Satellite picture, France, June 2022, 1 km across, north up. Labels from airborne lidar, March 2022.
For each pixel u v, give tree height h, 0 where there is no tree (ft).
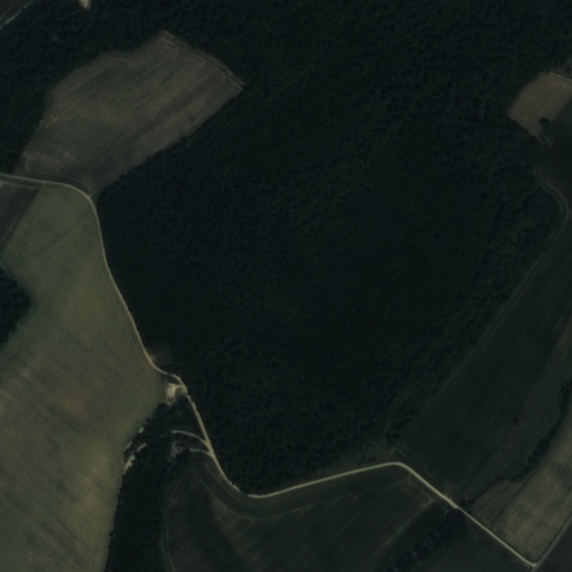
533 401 0
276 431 45
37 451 0
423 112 21
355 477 0
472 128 93
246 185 57
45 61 74
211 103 0
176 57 0
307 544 0
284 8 68
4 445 0
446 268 25
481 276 68
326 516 0
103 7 70
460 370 0
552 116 0
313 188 31
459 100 91
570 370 0
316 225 44
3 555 0
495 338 0
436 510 0
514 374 0
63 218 0
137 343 0
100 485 0
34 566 0
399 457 0
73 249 0
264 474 61
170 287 41
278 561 0
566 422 0
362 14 72
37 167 0
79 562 0
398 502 0
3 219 0
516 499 0
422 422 0
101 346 0
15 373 0
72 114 0
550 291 0
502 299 53
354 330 52
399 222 46
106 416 0
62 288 0
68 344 0
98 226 0
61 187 0
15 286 78
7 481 0
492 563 0
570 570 0
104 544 0
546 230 71
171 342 34
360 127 40
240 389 77
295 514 0
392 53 50
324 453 57
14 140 54
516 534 0
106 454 0
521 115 0
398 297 51
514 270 71
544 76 0
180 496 0
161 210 67
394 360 0
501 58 75
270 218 65
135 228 30
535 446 0
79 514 0
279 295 54
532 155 62
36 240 0
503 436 0
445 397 0
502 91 73
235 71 69
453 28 44
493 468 0
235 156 49
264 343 56
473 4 53
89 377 0
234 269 66
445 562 0
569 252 0
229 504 0
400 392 49
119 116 0
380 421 32
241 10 70
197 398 29
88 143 0
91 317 0
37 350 0
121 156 0
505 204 67
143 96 0
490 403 0
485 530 0
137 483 26
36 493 0
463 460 0
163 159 64
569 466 0
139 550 32
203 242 71
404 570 91
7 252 0
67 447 0
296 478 52
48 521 0
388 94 68
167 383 0
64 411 0
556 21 78
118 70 0
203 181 62
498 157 81
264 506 0
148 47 0
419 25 22
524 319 0
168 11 55
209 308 43
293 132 40
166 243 50
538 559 0
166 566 0
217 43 59
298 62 19
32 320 0
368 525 0
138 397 0
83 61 54
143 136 0
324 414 72
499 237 68
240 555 0
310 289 40
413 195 26
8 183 0
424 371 62
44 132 0
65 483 0
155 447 68
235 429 23
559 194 0
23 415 0
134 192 50
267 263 52
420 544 0
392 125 63
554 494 0
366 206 49
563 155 0
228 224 59
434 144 34
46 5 69
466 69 72
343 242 49
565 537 0
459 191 26
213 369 31
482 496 0
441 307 42
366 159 58
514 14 52
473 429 0
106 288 0
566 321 0
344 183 56
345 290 31
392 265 28
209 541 0
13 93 61
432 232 20
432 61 47
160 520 49
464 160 52
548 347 0
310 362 27
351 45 42
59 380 0
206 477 0
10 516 0
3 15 0
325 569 0
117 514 26
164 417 68
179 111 0
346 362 40
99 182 0
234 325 25
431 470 0
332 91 21
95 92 0
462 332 40
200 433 32
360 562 0
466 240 30
